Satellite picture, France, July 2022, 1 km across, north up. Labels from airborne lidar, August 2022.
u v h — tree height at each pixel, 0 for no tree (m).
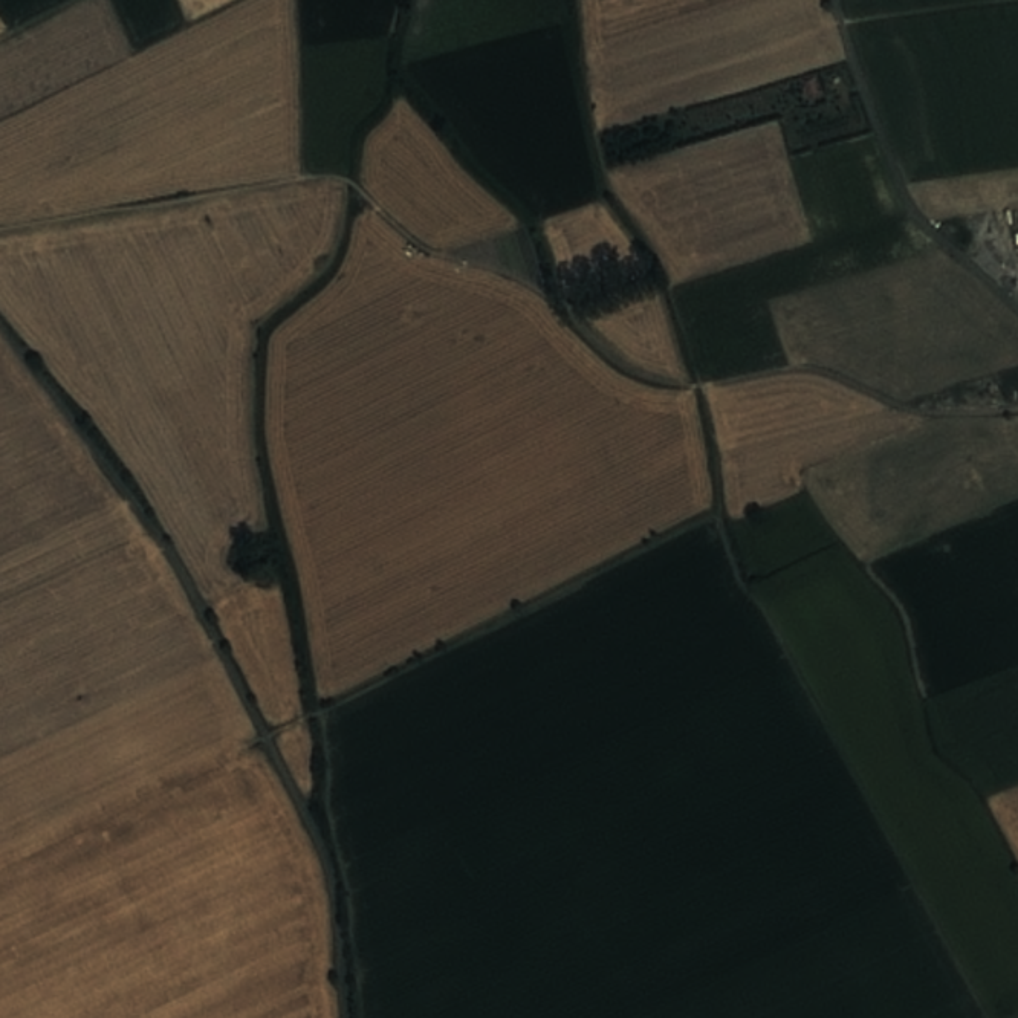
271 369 0
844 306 0
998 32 0
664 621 0
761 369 0
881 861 0
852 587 0
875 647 0
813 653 0
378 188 0
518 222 0
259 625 0
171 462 0
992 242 0
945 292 0
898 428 0
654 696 0
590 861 0
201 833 0
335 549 0
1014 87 0
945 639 0
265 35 0
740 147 0
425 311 0
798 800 0
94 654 0
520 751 0
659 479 0
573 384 0
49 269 0
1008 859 0
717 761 0
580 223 0
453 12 0
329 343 0
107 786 0
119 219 0
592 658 0
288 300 0
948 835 0
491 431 0
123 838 0
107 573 0
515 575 0
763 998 0
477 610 0
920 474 0
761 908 0
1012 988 0
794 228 0
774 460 0
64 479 0
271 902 0
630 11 0
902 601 0
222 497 0
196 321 0
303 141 0
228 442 0
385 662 0
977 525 0
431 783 0
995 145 0
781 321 0
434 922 0
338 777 0
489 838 0
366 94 0
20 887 0
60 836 0
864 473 0
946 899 0
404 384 0
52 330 0
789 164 0
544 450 0
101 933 0
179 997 0
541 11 0
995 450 0
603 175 0
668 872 0
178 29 0
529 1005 0
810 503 0
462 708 0
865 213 0
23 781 0
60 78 0
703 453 0
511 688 0
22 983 0
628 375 0
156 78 0
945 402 0
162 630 0
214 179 0
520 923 0
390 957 0
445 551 0
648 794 0
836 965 0
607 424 0
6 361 0
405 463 0
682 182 0
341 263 0
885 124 0
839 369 0
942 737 0
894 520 0
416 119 0
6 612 0
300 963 0
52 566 0
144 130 0
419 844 0
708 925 0
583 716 0
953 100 0
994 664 0
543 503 0
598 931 0
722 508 0
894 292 0
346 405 0
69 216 0
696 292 0
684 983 0
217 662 0
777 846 0
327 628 0
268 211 0
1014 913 0
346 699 0
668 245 0
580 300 32
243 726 0
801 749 0
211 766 0
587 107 0
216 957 0
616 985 0
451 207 0
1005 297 0
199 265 0
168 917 0
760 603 0
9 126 0
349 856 0
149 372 0
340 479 0
